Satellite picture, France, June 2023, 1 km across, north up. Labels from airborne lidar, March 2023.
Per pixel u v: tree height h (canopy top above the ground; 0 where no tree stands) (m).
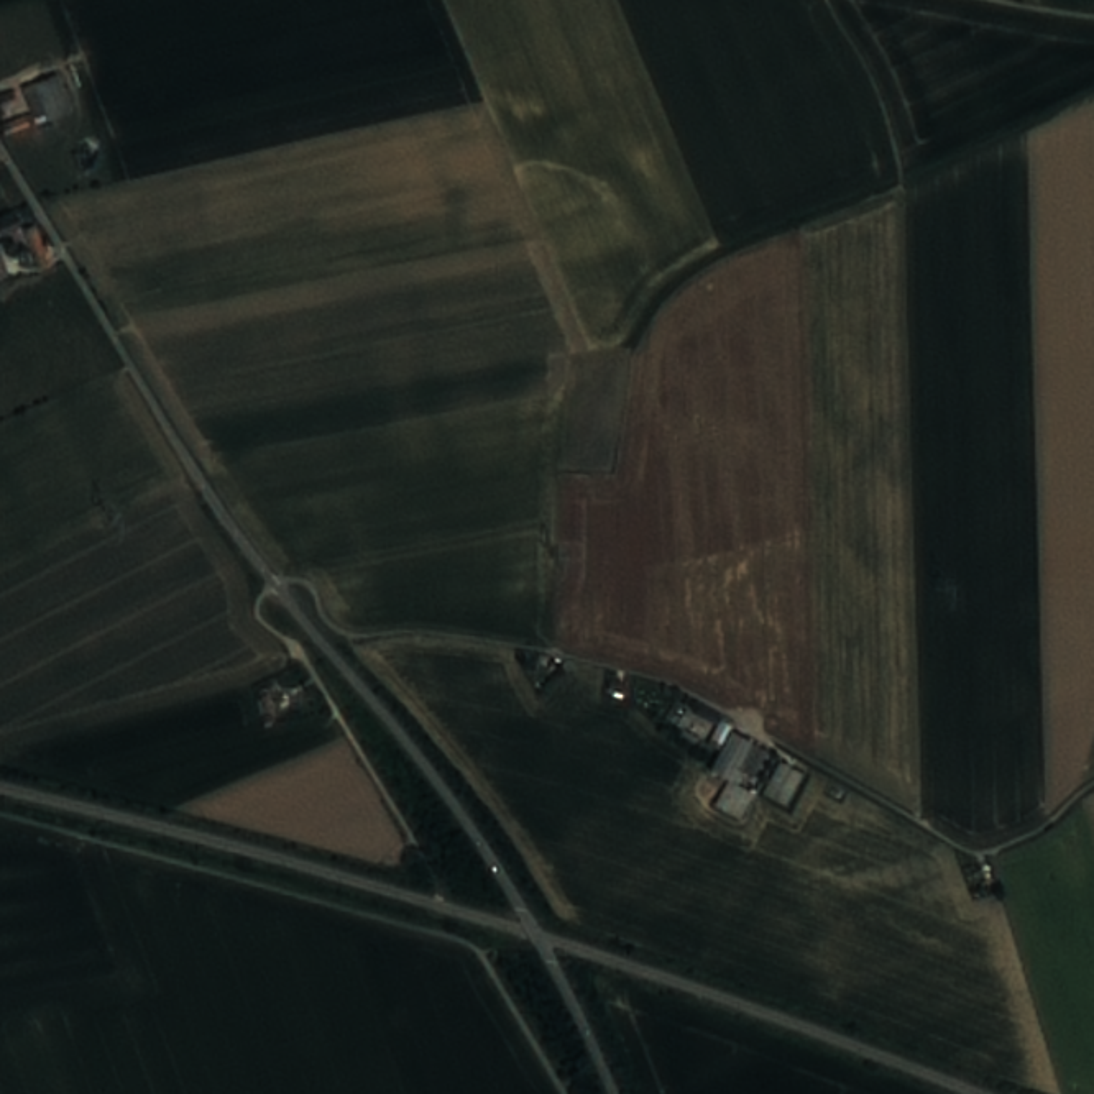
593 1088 10
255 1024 0
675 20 0
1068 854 0
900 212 0
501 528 0
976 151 0
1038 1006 0
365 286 0
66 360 0
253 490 0
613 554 0
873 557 0
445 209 0
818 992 0
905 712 0
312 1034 0
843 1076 0
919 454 0
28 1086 0
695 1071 0
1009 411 0
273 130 0
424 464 0
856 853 0
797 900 0
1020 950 0
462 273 0
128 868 0
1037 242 0
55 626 0
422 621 0
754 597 0
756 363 0
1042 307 0
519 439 0
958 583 0
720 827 0
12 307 0
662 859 0
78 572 0
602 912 0
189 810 0
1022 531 0
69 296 0
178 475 0
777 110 0
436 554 0
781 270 0
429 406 0
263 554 0
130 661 0
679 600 0
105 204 0
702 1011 0
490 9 0
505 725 0
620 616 0
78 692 0
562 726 0
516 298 0
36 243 0
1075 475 0
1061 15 0
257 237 0
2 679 0
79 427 0
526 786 0
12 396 0
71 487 0
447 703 0
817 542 0
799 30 0
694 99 0
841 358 0
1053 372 0
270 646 0
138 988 0
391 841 0
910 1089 0
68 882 0
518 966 10
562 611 0
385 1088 0
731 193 0
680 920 0
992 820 0
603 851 0
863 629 0
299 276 0
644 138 0
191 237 0
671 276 0
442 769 8
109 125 0
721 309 0
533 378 0
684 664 0
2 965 0
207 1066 0
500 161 0
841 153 0
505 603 0
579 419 0
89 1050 0
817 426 0
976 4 0
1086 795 0
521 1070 0
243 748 0
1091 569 0
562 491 0
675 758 0
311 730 0
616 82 0
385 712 0
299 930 0
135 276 0
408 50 0
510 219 0
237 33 0
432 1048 0
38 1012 0
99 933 0
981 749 0
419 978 0
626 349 0
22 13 0
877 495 0
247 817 0
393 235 0
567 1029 11
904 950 0
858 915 0
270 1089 0
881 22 0
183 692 0
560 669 12
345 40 0
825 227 0
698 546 0
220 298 0
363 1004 0
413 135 0
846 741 0
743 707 0
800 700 0
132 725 0
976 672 0
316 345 0
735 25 0
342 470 0
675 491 0
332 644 0
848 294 0
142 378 0
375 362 0
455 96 0
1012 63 0
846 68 0
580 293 0
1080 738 0
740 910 0
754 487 0
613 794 0
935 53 0
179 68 0
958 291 0
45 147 0
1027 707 0
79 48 0
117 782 0
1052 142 0
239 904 0
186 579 0
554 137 0
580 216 0
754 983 0
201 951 0
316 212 0
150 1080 0
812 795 0
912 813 0
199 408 0
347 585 0
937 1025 0
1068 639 0
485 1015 0
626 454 0
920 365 0
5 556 0
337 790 0
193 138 0
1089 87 0
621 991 0
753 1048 0
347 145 0
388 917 0
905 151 0
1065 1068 0
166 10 0
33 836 0
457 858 6
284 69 0
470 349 0
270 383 0
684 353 0
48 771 0
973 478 0
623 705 0
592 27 0
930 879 0
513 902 0
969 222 0
